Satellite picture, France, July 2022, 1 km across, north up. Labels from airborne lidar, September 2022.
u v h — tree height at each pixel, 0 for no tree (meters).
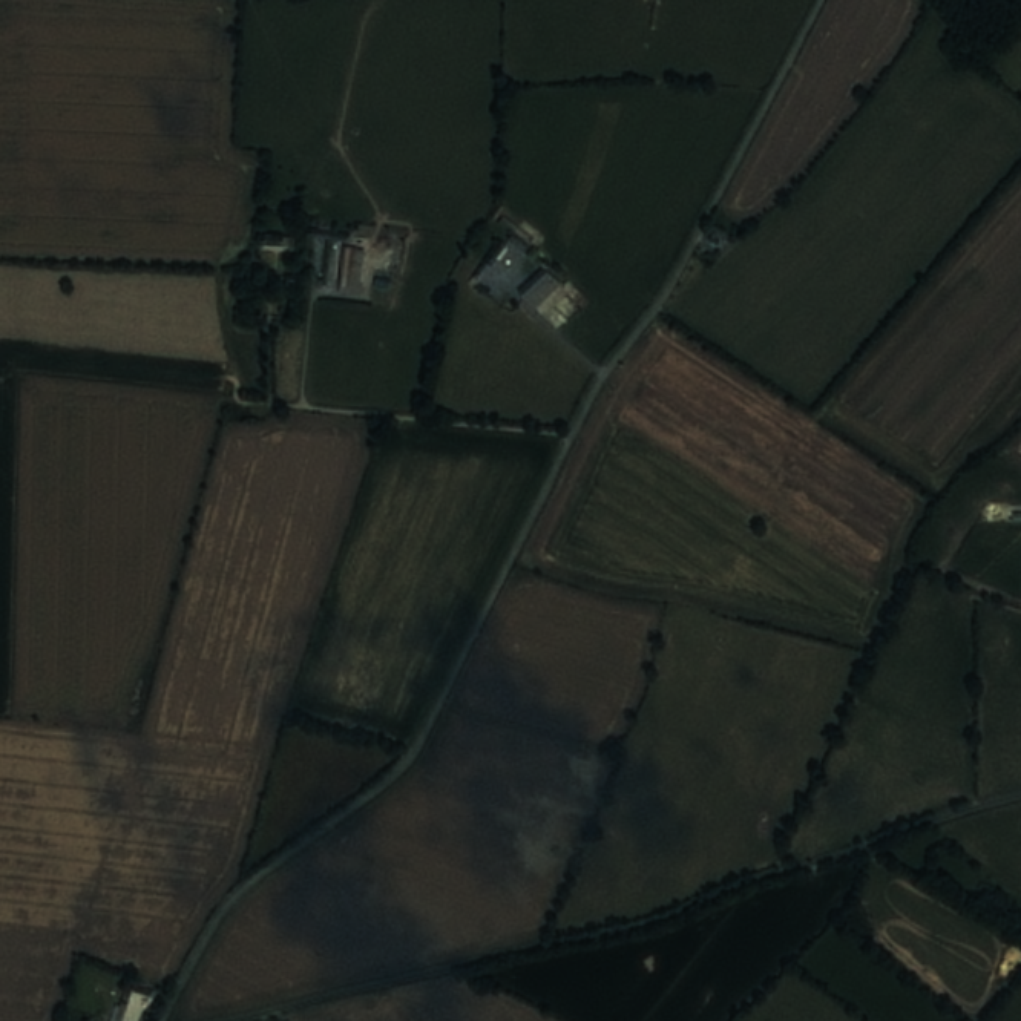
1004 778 0
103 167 0
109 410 0
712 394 0
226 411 9
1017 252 0
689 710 0
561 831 0
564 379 0
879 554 0
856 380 0
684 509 0
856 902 15
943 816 0
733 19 0
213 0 0
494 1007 0
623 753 18
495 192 13
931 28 0
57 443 0
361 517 0
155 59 0
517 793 0
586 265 0
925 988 16
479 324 0
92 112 0
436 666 0
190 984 0
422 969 0
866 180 0
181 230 0
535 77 0
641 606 0
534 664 0
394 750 15
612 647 0
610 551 0
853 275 0
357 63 0
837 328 0
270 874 0
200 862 0
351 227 9
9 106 0
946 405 0
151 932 0
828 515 0
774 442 0
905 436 0
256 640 0
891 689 0
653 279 0
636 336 0
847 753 0
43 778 0
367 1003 0
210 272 13
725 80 0
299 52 0
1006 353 0
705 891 14
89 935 0
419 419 19
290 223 19
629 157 0
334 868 0
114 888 0
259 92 0
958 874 0
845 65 0
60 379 0
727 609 0
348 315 0
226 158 0
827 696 0
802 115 0
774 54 0
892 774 0
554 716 0
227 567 0
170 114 0
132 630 0
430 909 0
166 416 0
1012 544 0
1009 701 0
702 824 0
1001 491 0
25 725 0
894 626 22
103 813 0
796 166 0
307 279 15
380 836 0
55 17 0
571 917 0
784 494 0
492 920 0
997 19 34
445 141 0
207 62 0
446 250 0
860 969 0
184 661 0
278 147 0
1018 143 0
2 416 0
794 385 0
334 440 0
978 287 0
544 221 0
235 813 0
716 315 0
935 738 0
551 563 0
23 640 0
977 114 0
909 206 0
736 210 0
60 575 0
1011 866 0
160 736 0
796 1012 0
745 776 0
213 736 0
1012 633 0
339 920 0
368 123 0
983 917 12
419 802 0
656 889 0
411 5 0
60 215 0
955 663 0
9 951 0
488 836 0
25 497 0
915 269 0
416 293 0
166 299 0
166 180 0
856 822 0
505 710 0
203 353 0
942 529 0
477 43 0
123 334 0
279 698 0
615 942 10
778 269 0
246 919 0
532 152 0
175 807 0
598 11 0
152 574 0
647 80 6
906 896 0
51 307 0
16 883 0
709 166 0
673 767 0
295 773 0
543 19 0
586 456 0
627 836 0
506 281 0
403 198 0
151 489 0
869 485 0
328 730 14
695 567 0
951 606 0
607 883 0
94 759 0
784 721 0
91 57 0
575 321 0
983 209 7
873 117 0
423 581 0
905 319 0
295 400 0
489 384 0
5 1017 0
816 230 0
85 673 0
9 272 0
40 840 0
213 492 0
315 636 0
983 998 0
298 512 0
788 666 0
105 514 0
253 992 0
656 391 0
